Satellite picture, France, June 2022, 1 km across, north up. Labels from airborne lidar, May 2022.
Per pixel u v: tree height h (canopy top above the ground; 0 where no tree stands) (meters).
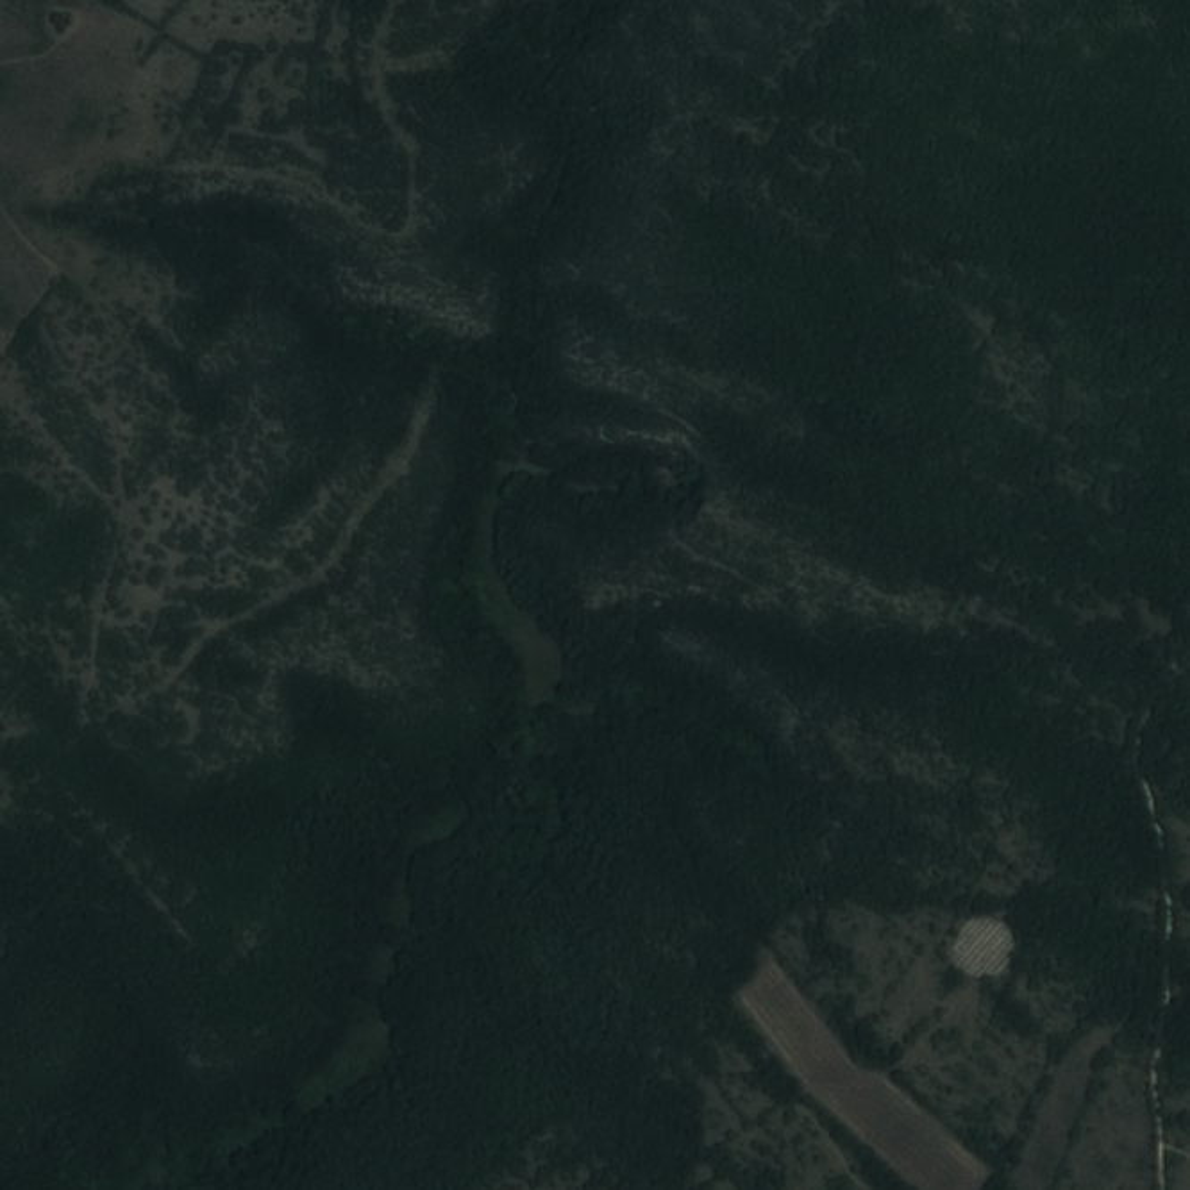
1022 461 8
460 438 7
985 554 8
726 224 10
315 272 8
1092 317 11
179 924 7
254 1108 17
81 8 0
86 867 12
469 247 7
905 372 10
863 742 6
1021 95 6
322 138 6
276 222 7
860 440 9
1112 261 10
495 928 13
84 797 8
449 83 8
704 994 10
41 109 0
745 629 9
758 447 7
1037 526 11
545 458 17
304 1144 17
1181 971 9
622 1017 7
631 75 6
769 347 10
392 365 9
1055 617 10
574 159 8
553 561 8
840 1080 0
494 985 16
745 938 11
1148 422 11
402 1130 16
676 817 10
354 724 8
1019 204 9
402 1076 18
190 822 10
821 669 10
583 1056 16
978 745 7
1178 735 10
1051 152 9
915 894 7
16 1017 10
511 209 8
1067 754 9
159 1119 12
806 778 7
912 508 8
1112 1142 0
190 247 8
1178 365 10
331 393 10
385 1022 14
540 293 6
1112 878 9
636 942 9
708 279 7
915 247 9
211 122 6
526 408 10
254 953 9
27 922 15
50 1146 20
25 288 0
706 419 9
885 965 7
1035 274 8
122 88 0
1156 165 8
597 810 15
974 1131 7
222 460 5
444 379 8
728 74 9
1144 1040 9
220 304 8
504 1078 10
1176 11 7
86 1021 9
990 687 6
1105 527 9
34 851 10
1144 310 12
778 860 8
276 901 9
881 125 8
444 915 15
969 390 6
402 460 0
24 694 5
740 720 11
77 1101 16
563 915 13
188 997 12
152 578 6
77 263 0
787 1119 8
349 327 11
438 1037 10
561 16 15
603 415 8
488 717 12
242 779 6
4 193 0
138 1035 13
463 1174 9
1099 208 10
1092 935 11
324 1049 11
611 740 13
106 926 17
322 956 16
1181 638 11
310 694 8
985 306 7
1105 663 9
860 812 8
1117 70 6
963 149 7
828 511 6
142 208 9
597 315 8
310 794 10
